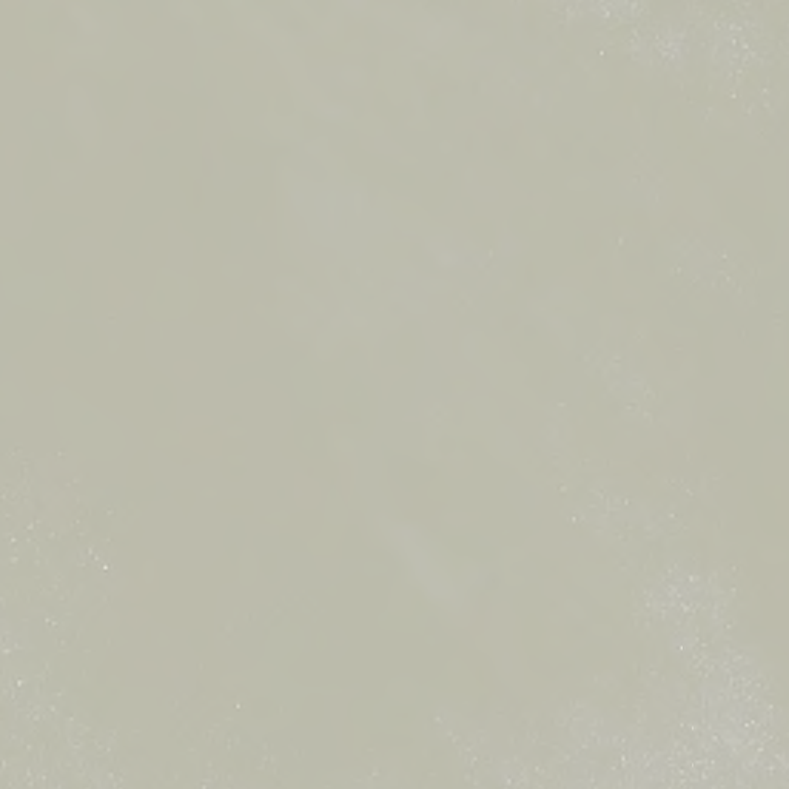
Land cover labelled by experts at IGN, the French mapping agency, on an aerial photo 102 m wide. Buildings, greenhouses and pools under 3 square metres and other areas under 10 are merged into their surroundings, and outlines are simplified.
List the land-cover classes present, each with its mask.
<instances>
[{"label":"water","instance_id":"1","mask_svg":"<svg viewBox=\"0 0 789 789\"><path fill-rule=\"evenodd\" d=\"M0 789H789V0H0Z\"/></svg>","mask_w":789,"mask_h":789}]
</instances>
